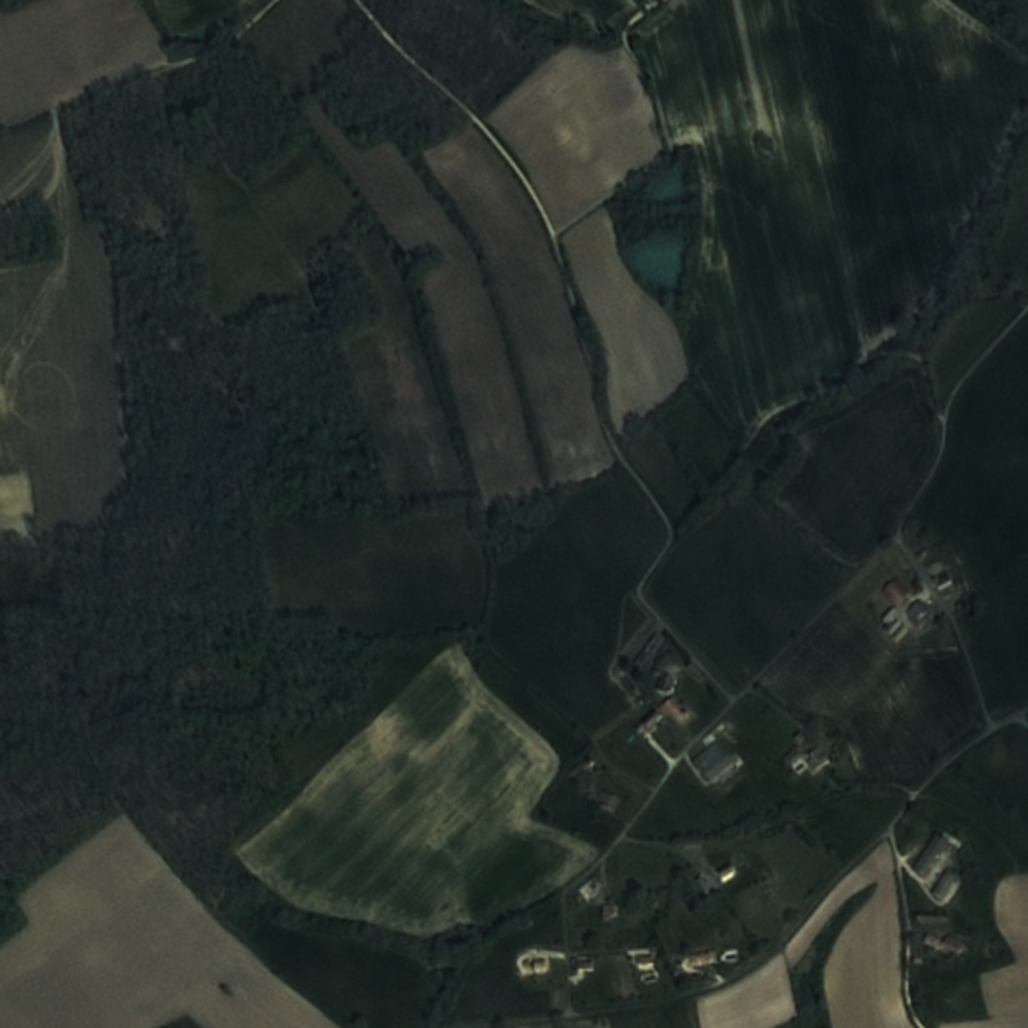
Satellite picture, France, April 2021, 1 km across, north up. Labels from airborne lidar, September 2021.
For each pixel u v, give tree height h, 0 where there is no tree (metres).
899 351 12
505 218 0
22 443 0
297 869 0
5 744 17
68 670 14
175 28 0
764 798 0
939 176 0
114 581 19
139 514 20
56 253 18
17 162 0
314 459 24
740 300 0
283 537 0
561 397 0
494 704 0
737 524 0
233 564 19
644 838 0
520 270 0
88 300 0
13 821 15
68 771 20
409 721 0
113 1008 0
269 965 0
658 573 0
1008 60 0
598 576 0
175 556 15
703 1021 0
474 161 0
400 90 19
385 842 0
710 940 0
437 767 0
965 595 11
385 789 0
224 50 19
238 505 27
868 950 0
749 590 0
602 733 0
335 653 21
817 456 0
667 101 0
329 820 0
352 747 0
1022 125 11
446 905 0
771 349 0
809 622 0
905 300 0
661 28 0
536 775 0
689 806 0
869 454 0
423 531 0
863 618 0
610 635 0
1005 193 7
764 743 0
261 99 21
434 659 0
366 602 0
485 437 0
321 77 15
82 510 0
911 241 0
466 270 0
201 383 17
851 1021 0
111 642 19
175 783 13
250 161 13
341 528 0
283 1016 0
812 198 0
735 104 0
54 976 0
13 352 0
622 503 0
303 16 0
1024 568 0
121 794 11
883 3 0
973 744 0
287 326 21
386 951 15
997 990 0
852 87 0
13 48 0
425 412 0
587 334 16
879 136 0
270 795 20
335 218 0
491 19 9
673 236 8
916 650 0
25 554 19
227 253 0
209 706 16
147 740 21
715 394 0
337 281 14
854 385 19
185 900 0
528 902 0
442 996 12
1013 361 0
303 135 20
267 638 21
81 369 0
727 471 8
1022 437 0
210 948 0
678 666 0
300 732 14
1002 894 0
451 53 0
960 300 17
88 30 0
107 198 14
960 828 0
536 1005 0
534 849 0
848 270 0
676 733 0
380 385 0
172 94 9
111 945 0
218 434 15
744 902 0
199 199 0
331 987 0
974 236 16
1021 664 0
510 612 0
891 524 0
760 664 0
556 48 9
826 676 0
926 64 0
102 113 19
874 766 0
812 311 0
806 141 0
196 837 18
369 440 5
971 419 0
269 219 0
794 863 0
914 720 0
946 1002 0
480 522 17
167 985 0
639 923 13
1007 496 0
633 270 7
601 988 0
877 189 0
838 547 0
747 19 0
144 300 14
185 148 16
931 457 0
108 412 0
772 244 0
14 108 0
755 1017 0
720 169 0
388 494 20
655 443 0
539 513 19
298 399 22
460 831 0
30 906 0
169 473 20
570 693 0
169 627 18
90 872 0
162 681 24
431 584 0
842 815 0
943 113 0
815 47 0
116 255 16
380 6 11
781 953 0
